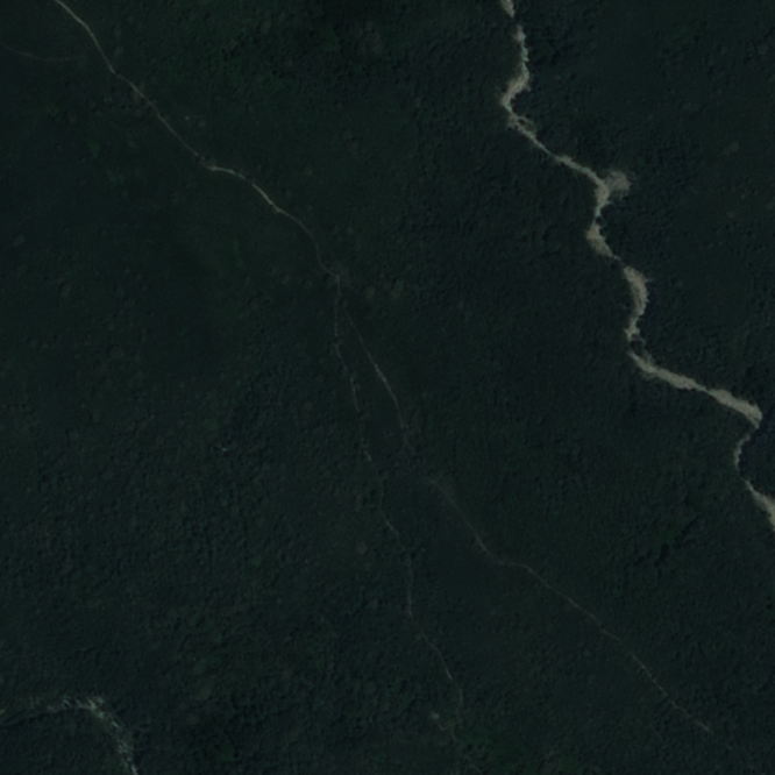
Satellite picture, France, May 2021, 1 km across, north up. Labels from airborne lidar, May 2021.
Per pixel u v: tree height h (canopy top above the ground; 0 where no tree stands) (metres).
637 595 17
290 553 9
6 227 6
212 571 8
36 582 19
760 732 16
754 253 13
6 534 14
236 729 24
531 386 19
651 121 6
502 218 14
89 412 7
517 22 19
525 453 14
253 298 10
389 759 8
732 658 14
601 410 14
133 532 7
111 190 6
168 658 15
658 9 6
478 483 7
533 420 18
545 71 17
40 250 8
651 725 12
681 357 16
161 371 6
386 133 8
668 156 15
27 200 6
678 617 14
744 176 9
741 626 20
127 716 18
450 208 11
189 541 16
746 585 17
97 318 6
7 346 8
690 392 22
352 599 14
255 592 8
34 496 10
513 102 12
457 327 12
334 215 6
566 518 11
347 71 11
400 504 6
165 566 16
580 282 20
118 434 8
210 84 7
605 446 13
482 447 13
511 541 8
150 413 12
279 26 11
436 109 9
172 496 12
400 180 6
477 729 13
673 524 17
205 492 15
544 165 16
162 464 9
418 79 15
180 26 13
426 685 13
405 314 9
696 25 8
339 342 10
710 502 19
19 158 5
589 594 10
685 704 11
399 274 9
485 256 19
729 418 16
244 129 7
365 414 11
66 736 14
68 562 14
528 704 8
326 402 6
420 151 12
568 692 7
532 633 14
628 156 7
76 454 7
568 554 11
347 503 8
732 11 6
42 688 18
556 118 15
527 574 8
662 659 12
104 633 12
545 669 13
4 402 6
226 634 16
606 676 8
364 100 6
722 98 7
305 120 7
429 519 7
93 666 11
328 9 15
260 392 14
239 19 7
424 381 8
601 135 15
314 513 8
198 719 17
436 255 11
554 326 14
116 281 6
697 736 10
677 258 6
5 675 13
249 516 8
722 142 6
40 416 7
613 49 5
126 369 6
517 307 14
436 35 10
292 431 6
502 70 18
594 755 14
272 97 6
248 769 21
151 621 11
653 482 19
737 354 11
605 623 6
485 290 15
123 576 11
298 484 7
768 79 10
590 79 10
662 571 14
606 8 6
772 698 17
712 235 8
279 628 16
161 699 12
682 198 7
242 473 15
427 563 8
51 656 13
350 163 7
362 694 11
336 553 8
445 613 10
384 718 11
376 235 6
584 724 9
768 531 15
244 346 7
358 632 8
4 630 7
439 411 10
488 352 12
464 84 16
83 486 7
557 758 13
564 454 14
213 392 10
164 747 21
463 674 9
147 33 7
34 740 16
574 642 9
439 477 7
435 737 14
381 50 10
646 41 7
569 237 19
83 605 11
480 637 7
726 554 14
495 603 6
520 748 5
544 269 23
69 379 8
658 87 7
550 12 8
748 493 18
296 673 9
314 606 17
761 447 17
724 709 17
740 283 6
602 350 16
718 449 17
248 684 16
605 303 19
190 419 8
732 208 5
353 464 8
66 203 6
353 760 14
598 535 14
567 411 15
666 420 19
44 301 5
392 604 9
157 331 7
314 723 11
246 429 12
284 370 11
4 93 5
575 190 18
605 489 15
